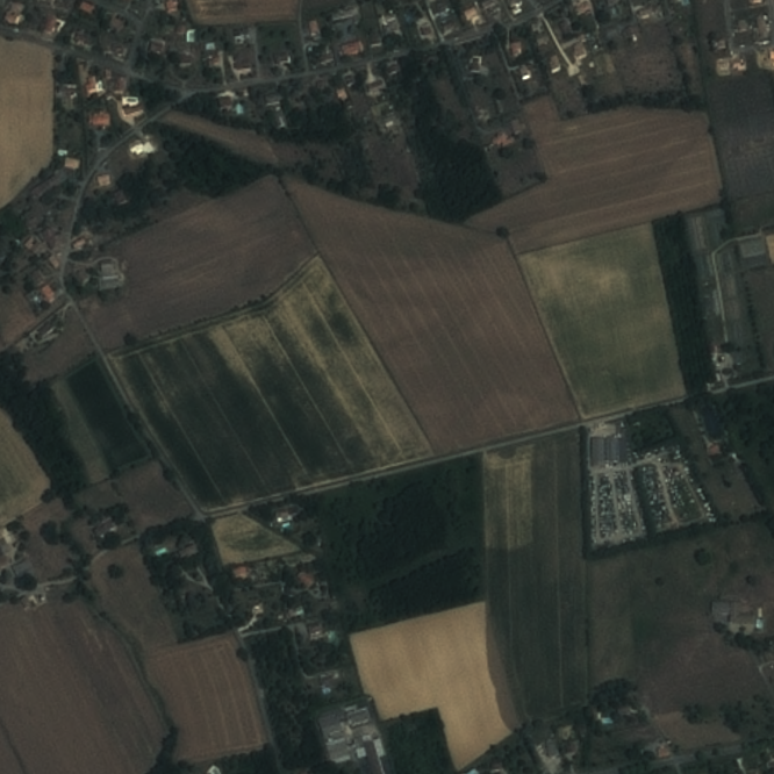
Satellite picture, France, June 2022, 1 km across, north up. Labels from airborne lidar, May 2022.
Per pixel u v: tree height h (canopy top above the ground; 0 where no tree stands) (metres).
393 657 0
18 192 0
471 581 12
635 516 0
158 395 0
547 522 0
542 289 0
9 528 9
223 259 0
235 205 0
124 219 12
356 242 0
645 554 0
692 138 0
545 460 0
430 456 0
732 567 0
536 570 0
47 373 0
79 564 10
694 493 0
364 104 0
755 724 7
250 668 0
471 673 0
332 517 0
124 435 0
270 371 0
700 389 8
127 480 0
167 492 0
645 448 10
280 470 0
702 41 0
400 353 0
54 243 0
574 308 0
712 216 0
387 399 0
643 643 0
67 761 0
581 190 0
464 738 0
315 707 8
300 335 0
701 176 0
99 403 0
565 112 0
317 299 0
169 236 0
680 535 13
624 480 0
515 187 0
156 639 0
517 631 0
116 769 0
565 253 0
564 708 0
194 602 13
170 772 19
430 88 13
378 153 0
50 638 0
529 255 0
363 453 0
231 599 8
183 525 18
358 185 10
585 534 10
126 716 0
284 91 14
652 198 0
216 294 0
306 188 0
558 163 0
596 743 0
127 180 10
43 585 0
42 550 0
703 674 0
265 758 13
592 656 0
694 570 0
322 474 0
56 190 12
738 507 0
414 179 0
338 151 8
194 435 0
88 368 0
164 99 15
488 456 0
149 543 16
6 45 0
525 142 9
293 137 9
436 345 0
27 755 0
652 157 0
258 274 0
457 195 11
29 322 0
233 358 0
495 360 0
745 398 12
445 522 15
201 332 0
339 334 0
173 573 15
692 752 0
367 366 0
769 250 0
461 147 11
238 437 0
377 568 16
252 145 0
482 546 0
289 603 9
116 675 0
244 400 0
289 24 0
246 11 0
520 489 0
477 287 0
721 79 0
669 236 8
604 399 0
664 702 0
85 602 0
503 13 0
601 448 0
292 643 11
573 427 0
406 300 0
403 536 14
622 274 0
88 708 0
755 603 0
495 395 0
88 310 0
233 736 0
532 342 0
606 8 6
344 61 13
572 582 0
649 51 0
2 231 15
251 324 0
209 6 0
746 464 7
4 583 8
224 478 0
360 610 7
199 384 0
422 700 0
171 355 0
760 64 0
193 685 0
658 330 0
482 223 0
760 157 0
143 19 0
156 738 0
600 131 0
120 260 0
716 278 0
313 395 0
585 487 6
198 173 13
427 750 9
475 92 0
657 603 0
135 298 0
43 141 0
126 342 9
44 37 0
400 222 0
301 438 0
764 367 7
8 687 0
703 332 6
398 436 0
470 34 0
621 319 0
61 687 0
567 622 0
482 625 0
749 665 0
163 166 9
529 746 17
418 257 0
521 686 0
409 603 11
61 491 15
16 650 0
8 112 0
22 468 0
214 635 7
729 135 0
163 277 0
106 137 9
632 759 14
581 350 0
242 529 0
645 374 0
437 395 0
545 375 0
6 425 0
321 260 0
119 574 17
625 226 0
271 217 0
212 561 17
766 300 0
